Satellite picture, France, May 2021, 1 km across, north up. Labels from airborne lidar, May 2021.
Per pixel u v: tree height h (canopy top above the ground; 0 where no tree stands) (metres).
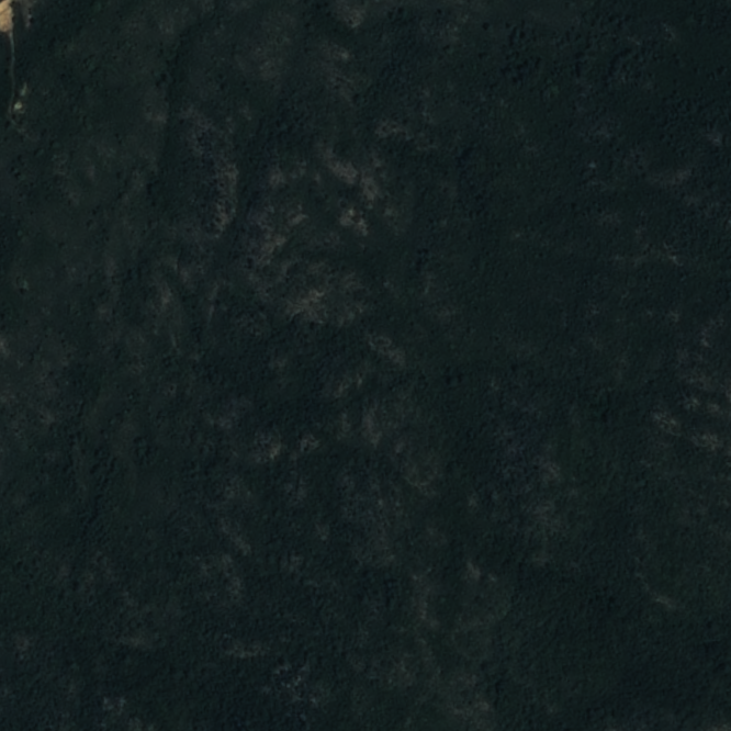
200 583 6
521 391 7
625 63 13
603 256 7
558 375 6
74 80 11
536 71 22
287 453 8
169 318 6
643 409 6
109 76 8
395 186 7
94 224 13
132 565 6
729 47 8
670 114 14
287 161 10
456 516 8
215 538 7
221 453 12
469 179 19
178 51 12
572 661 9
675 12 7
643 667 6
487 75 11
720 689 9
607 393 12
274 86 8
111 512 10
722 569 7
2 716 5
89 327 6
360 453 8
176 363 17
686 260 9
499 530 7
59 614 9
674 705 6
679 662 10
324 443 6
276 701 7
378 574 6
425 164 6
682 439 7
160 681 7
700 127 6
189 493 8
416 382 7
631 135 7
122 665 10
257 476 6
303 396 6
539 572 17
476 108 9
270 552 10
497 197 16
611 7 7
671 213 8
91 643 6
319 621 9
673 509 9
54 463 5
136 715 11
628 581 8
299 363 8
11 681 9
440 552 9
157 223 10
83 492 8
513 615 7
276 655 6
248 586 6
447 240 6
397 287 6
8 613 10
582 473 11
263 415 8
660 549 7
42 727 6
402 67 11
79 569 13
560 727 9
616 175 5
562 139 6
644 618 11
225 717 11
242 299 6
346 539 9
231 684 9
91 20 8
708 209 9
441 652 8
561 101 7
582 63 17
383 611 6
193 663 6
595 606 17
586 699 7
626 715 8
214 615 7
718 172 11
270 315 8
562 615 8
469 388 7
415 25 8
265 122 12
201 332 21
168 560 7
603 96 7
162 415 6
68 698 6
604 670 9
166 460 7
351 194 6
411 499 8
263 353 6
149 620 7
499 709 10
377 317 5
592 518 6
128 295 9
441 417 9
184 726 6
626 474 9
